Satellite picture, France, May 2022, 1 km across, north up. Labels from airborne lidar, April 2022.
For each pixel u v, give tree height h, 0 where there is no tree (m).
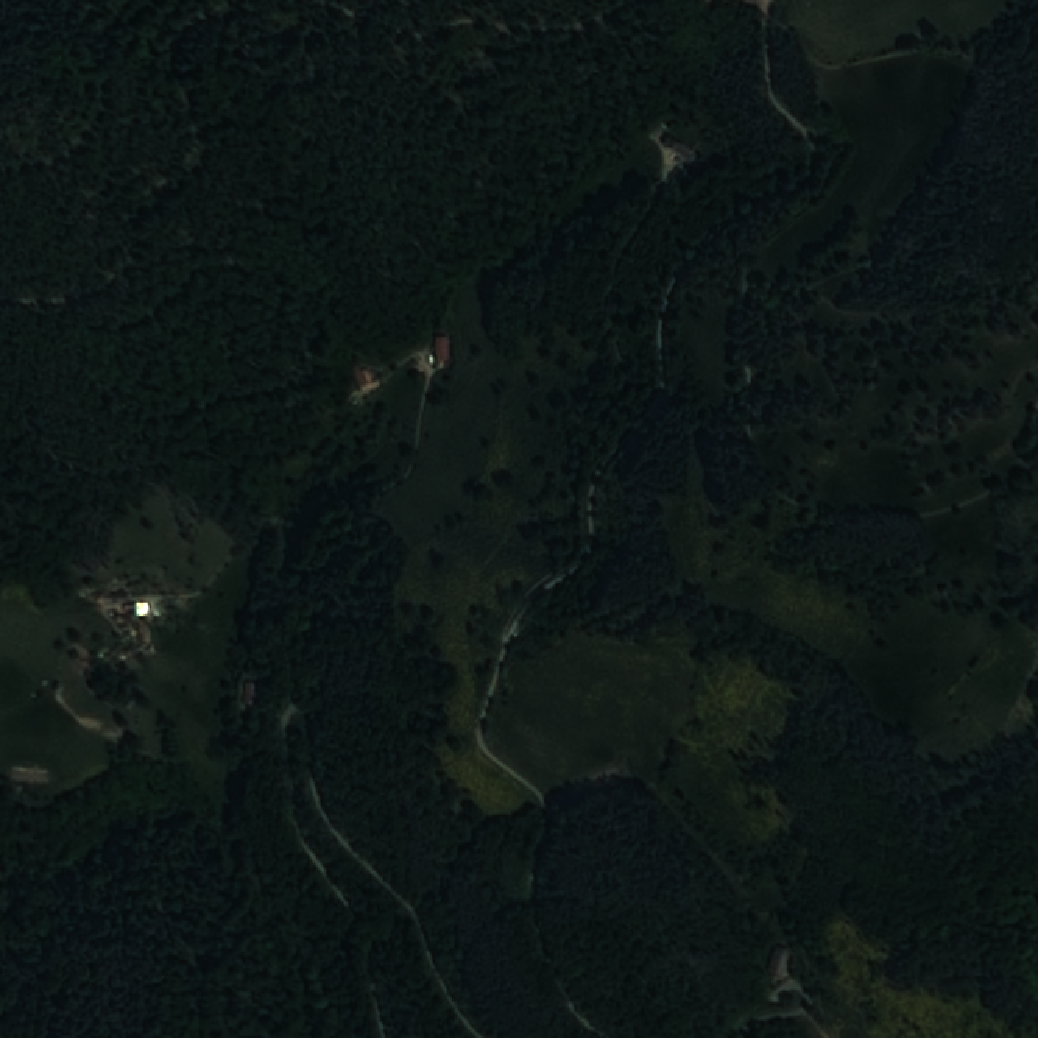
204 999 32
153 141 20
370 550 16
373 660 25
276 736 9
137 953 27
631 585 24
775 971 0
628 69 28
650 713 0
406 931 23
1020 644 0
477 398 0
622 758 0
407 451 13
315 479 6
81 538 22
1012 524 24
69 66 11
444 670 16
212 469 23
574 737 0
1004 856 25
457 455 0
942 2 0
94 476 23
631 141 22
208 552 0
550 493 11
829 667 13
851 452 0
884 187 0
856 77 0
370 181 23
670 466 34
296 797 15
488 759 0
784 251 0
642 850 28
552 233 11
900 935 18
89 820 25
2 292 20
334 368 10
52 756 0
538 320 16
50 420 22
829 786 14
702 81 16
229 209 18
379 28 23
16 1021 29
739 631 11
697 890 25
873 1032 0
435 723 12
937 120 0
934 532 0
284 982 22
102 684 21
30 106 19
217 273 33
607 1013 20
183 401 15
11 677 0
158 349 27
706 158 0
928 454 12
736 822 0
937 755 0
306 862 21
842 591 9
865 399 0
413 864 20
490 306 24
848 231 14
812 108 21
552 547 20
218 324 24
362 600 23
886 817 22
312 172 34
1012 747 24
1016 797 19
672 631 8
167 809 23
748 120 23
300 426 27
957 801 25
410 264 29
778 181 7
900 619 0
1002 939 25
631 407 6
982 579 0
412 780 14
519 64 27
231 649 21
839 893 10
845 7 0
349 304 26
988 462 16
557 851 19
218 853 25
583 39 22
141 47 33
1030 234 12
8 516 15
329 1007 24
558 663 0
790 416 18
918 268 23
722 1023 23
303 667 20
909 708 0
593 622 11
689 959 23
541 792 0
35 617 0
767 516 13
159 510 0
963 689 0
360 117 23
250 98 33
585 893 23
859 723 28
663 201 14
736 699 0
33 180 19
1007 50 18
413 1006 16
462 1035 18
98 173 8
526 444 0
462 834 17
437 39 25
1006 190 15
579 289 22
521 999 25
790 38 15
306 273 36
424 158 24
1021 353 0
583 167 24
